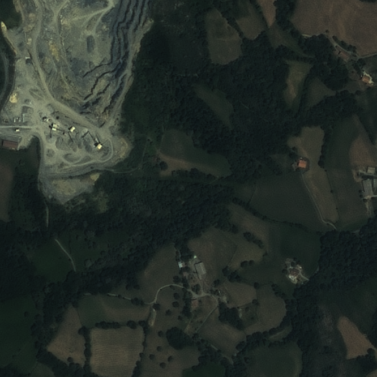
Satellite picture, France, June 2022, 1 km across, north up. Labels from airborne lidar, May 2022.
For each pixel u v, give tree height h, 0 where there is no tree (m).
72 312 0
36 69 0
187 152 0
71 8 0
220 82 9
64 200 0
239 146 18
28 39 0
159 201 16
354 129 0
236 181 12
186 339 12
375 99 0
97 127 0
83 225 14
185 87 21
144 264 8
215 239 0
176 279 13
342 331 0
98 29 0
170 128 7
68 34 0
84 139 0
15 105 0
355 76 0
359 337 0
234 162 15
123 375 0
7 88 0
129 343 0
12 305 0
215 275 0
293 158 16
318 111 21
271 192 0
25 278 16
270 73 15
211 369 0
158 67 14
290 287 0
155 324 0
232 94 6
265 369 0
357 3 0
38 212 14
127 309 0
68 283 16
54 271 0
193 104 21
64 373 14
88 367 18
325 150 15
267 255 9
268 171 0
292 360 0
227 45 0
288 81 0
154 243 16
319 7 0
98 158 0
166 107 9
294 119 14
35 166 0
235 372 17
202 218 19
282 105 15
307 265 0
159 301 0
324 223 0
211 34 0
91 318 0
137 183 14
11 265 20
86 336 9
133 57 0
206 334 0
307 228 6
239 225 0
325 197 0
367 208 0
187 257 9
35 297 16
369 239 21
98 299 0
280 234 0
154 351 0
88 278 19
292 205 0
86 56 0
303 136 0
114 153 0
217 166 0
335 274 10
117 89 0
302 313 21
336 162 0
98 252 0
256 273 0
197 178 25
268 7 0
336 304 0
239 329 11
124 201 10
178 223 25
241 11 0
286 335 0
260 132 15
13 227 18
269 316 0
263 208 0
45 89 0
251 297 0
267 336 18
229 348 0
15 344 0
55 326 0
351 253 25
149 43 6
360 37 0
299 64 0
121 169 0
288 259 0
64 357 0
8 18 0
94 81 0
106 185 10
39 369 0
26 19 0
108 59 0
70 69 0
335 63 18
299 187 0
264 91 10
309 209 0
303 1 0
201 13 15
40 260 0
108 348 0
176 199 13
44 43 0
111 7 0
